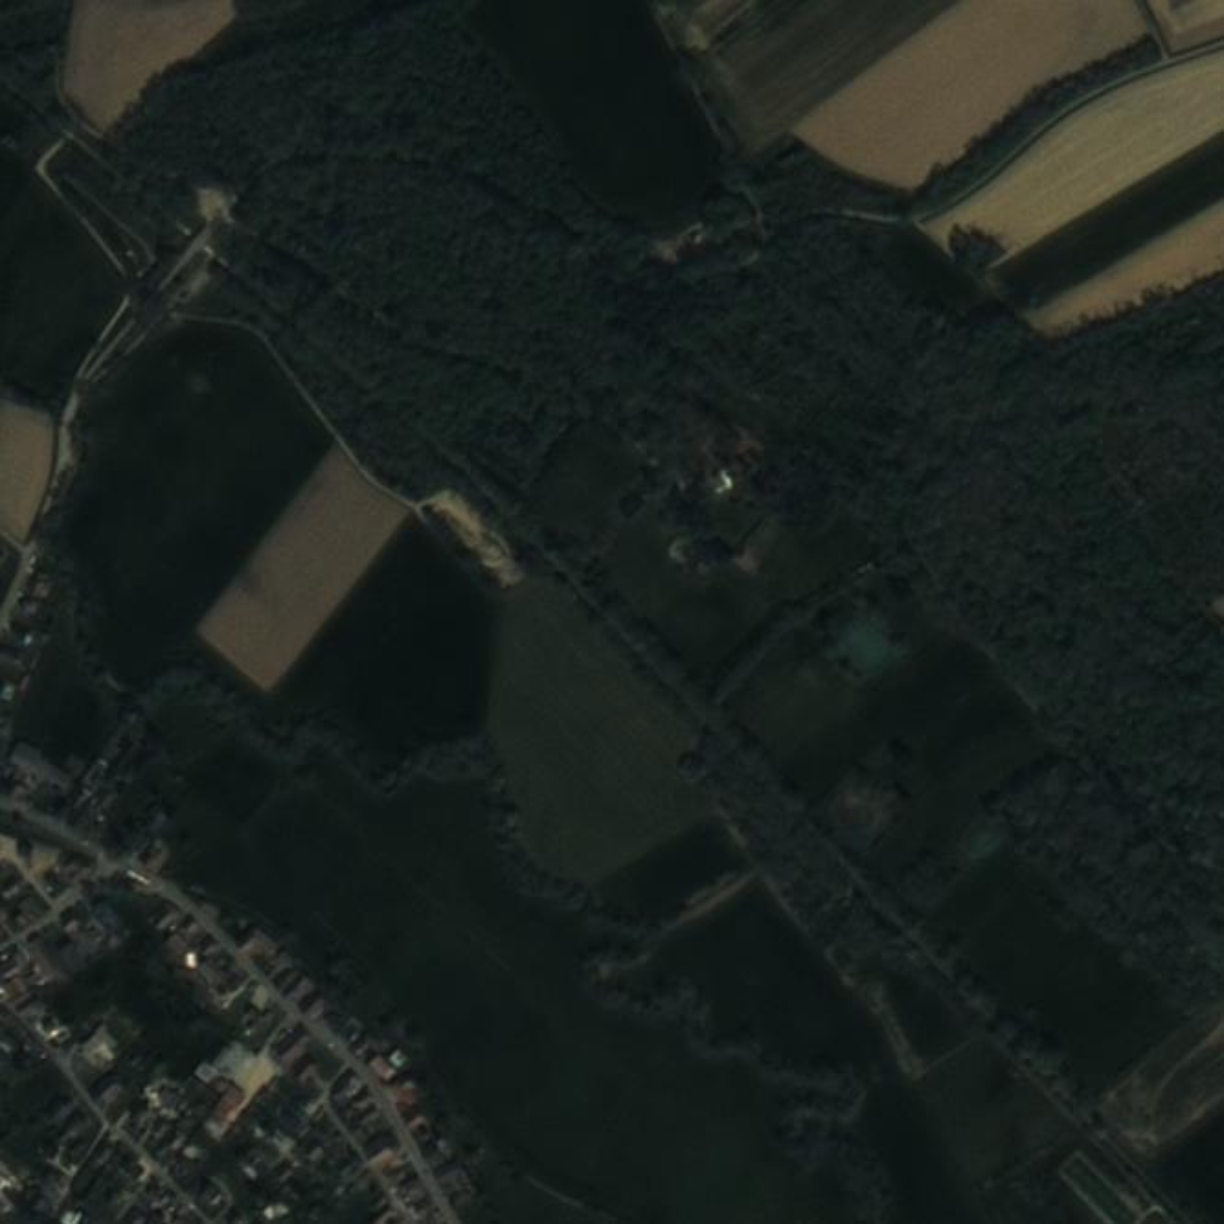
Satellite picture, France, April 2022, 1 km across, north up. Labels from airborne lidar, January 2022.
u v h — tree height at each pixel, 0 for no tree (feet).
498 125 72
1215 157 0
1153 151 0
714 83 0
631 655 70
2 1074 0
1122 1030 0
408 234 69
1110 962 0
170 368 0
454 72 67
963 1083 0
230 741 0
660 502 0
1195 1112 0
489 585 44
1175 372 93
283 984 0
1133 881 88
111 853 47
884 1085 0
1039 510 103
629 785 0
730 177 54
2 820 0
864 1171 109
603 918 51
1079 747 51
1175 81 0
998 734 0
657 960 0
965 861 0
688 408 98
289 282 73
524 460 54
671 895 0
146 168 52
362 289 67
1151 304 51
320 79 73
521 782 0
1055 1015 0
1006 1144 0
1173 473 31
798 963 0
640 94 0
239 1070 0
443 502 0
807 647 0
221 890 0
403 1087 0
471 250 78
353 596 0
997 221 0
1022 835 80
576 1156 0
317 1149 0
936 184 43
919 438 107
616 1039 0
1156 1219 0
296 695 0
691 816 0
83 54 0
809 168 43
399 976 0
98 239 0
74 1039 0
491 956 0
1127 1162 0
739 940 0
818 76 0
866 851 0
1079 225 0
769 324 50
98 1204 0
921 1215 0
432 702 0
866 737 0
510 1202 0
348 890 0
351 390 78
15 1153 0
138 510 0
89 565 0
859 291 70
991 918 0
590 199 48
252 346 0
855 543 0
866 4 0
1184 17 0
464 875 0
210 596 0
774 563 0
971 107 0
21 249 0
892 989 0
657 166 0
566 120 0
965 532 94
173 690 35
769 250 77
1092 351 87
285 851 0
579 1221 0
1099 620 93
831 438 0
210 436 0
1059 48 0
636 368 82
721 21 0
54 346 0
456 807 0
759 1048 47
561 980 0
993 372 87
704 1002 54
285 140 85
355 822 0
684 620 0
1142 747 89
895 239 0
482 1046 0
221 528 0
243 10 62
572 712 0
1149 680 93
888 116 0
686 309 78
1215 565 20
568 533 0
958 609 71
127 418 0
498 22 0
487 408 49
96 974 0
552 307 73
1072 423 103
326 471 0
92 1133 0
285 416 0
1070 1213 0
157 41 0
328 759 0
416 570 0
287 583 0
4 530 0
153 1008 0
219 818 0
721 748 73
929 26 0
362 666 0
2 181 0
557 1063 0
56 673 0
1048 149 0
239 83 77
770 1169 0
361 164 63
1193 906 74
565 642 0
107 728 0
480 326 83
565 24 0
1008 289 0
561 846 0
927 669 0
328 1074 0
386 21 88
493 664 0
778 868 102
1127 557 86
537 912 0
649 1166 0
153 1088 0
